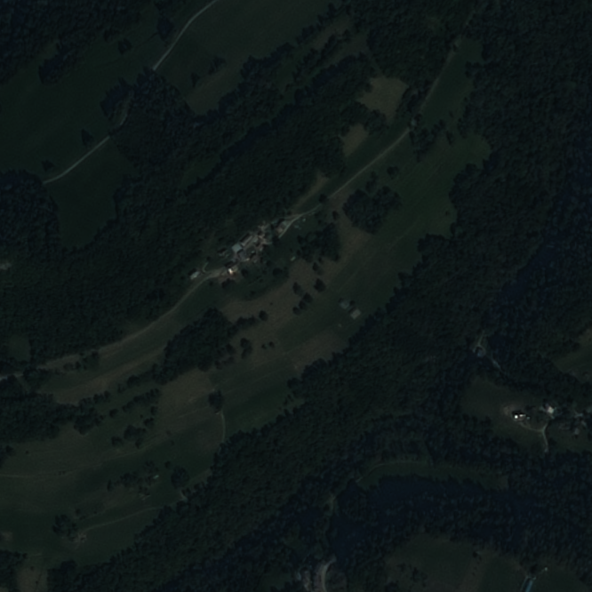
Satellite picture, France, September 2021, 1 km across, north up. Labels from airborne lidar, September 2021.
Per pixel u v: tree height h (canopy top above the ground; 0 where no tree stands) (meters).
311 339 0
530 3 25
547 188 25
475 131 16
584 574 24
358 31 21
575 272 33
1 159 0
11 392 17
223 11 0
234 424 0
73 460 0
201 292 0
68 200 0
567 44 21
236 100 16
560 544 34
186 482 23
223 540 24
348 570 27
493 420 0
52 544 0
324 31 10
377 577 19
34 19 30
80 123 0
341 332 0
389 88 0
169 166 10
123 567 16
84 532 0
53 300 23
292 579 6
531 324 21
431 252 30
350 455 34
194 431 0
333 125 29
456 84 0
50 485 0
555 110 10
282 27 0
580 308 26
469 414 0
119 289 21
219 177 13
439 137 20
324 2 0
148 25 0
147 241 27
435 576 0
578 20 26
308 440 20
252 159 20
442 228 0
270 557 27
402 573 13
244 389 0
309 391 24
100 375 0
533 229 33
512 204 29
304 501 30
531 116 31
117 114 13
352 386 27
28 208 22
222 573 32
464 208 28
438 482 0
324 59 17
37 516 0
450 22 34
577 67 15
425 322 24
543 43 18
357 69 17
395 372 15
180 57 0
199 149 13
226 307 0
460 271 30
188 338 18
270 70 20
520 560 22
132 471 0
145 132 9
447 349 23
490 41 17
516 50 28
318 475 21
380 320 19
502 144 25
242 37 0
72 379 0
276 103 12
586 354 0
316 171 23
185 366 26
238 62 0
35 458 0
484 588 0
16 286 22
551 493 24
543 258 8
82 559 0
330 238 24
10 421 22
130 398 0
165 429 0
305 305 17
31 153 0
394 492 0
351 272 0
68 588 22
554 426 7
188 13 0
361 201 23
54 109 0
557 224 26
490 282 27
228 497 20
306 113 28
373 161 0
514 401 0
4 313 25
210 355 25
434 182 0
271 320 0
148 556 16
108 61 0
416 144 16
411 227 0
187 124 25
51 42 16
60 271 16
